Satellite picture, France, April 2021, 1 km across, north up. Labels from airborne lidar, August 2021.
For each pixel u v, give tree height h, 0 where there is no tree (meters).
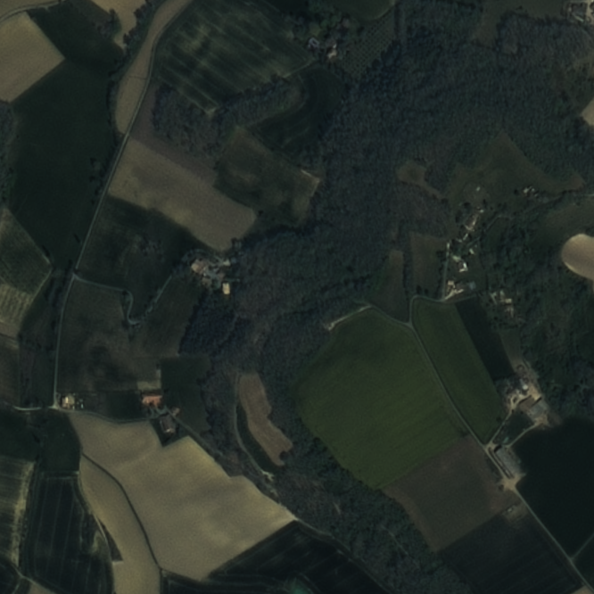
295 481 11
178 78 0
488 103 18
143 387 0
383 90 14
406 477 0
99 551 0
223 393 19
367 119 20
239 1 0
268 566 0
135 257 0
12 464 0
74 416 0
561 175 14
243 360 16
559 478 0
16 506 0
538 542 0
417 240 0
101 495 0
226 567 0
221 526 0
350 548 14
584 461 0
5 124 17
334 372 0
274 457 0
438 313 0
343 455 0
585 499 0
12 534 0
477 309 0
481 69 21
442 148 13
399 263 0
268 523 0
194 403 0
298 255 28
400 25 17
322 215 18
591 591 0
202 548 0
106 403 0
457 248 12
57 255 0
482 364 0
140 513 0
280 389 15
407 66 18
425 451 0
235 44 0
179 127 20
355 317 0
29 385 8
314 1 11
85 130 0
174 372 0
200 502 0
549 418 0
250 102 22
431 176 14
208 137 19
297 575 0
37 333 0
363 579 0
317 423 0
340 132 14
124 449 0
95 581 0
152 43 0
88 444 0
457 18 17
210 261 10
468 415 0
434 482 0
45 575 0
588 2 0
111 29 16
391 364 0
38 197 0
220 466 19
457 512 0
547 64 20
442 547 0
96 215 0
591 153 30
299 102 0
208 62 0
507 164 0
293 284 20
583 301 22
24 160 0
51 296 15
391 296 0
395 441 0
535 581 0
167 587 0
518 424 0
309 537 0
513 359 0
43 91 0
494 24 0
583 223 0
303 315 10
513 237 10
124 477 0
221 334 13
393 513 14
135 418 0
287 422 15
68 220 0
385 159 15
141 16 16
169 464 0
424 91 25
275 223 9
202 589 0
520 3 0
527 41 19
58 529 0
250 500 0
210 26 0
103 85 0
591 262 0
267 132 0
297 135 0
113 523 0
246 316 15
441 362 0
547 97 20
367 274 17
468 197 0
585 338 0
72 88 0
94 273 0
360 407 0
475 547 0
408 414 0
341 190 15
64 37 0
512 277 7
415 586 24
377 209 13
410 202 13
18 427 0
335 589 0
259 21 0
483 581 0
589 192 15
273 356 12
